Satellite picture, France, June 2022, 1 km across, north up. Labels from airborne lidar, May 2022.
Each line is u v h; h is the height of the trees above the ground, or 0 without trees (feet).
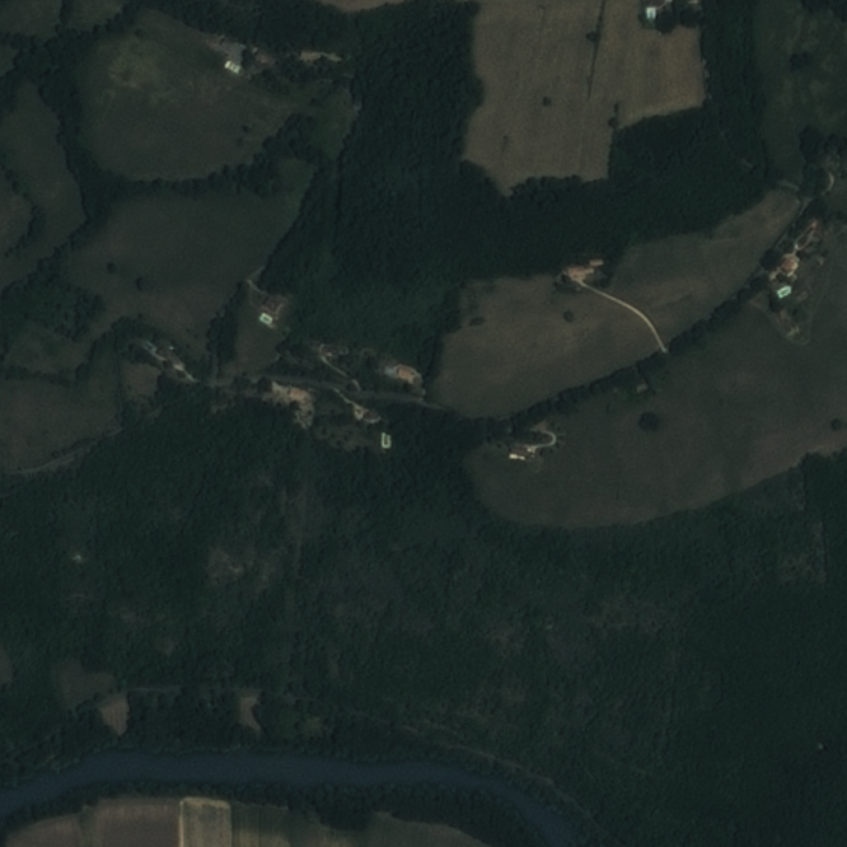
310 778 0
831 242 0
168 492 25
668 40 0
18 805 0
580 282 0
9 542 27
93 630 32
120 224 0
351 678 21
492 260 46
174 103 0
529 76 0
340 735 81
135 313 0
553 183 57
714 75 57
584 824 83
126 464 27
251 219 0
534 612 32
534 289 0
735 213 37
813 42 0
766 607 44
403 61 53
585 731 24
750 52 40
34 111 0
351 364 27
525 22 0
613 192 52
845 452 24
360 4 0
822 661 31
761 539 26
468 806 92
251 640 39
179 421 30
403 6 33
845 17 40
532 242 42
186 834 0
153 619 29
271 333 0
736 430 0
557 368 0
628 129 19
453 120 25
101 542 43
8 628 32
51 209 0
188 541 49
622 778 19
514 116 0
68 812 39
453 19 58
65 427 0
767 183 47
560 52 0
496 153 0
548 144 0
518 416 41
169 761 0
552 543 33
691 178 43
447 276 30
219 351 42
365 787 0
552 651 21
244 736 72
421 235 47
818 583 24
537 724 33
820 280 0
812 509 39
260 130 0
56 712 51
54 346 0
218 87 0
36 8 0
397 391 23
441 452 46
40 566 26
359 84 52
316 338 22
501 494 0
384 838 0
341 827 56
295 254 46
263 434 41
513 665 31
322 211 57
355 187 48
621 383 62
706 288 0
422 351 21
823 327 0
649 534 17
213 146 0
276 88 21
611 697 23
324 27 52
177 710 52
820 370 0
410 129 28
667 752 30
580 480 0
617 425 0
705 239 0
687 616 22
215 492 40
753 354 0
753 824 45
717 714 35
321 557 42
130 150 0
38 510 31
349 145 47
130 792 60
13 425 0
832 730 36
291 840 0
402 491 43
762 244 0
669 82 0
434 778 0
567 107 0
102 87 0
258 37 52
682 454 0
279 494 22
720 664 33
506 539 35
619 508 0
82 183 46
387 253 31
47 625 51
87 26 0
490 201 51
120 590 26
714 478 0
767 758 38
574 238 54
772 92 0
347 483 40
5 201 0
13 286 44
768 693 41
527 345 0
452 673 19
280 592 34
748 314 0
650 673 21
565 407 58
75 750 85
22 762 91
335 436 30
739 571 43
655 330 0
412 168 29
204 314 0
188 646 29
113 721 0
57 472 22
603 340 0
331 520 24
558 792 45
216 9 51
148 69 0
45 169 0
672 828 26
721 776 29
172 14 52
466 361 0
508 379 0
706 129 44
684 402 0
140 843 0
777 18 0
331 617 27
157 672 31
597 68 0
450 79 27
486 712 25
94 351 39
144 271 0
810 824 33
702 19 34
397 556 27
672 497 0
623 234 49
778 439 0
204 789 50
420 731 36
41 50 59
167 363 37
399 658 24
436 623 24
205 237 0
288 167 0
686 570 40
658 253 0
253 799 73
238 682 48
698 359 0
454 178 31
